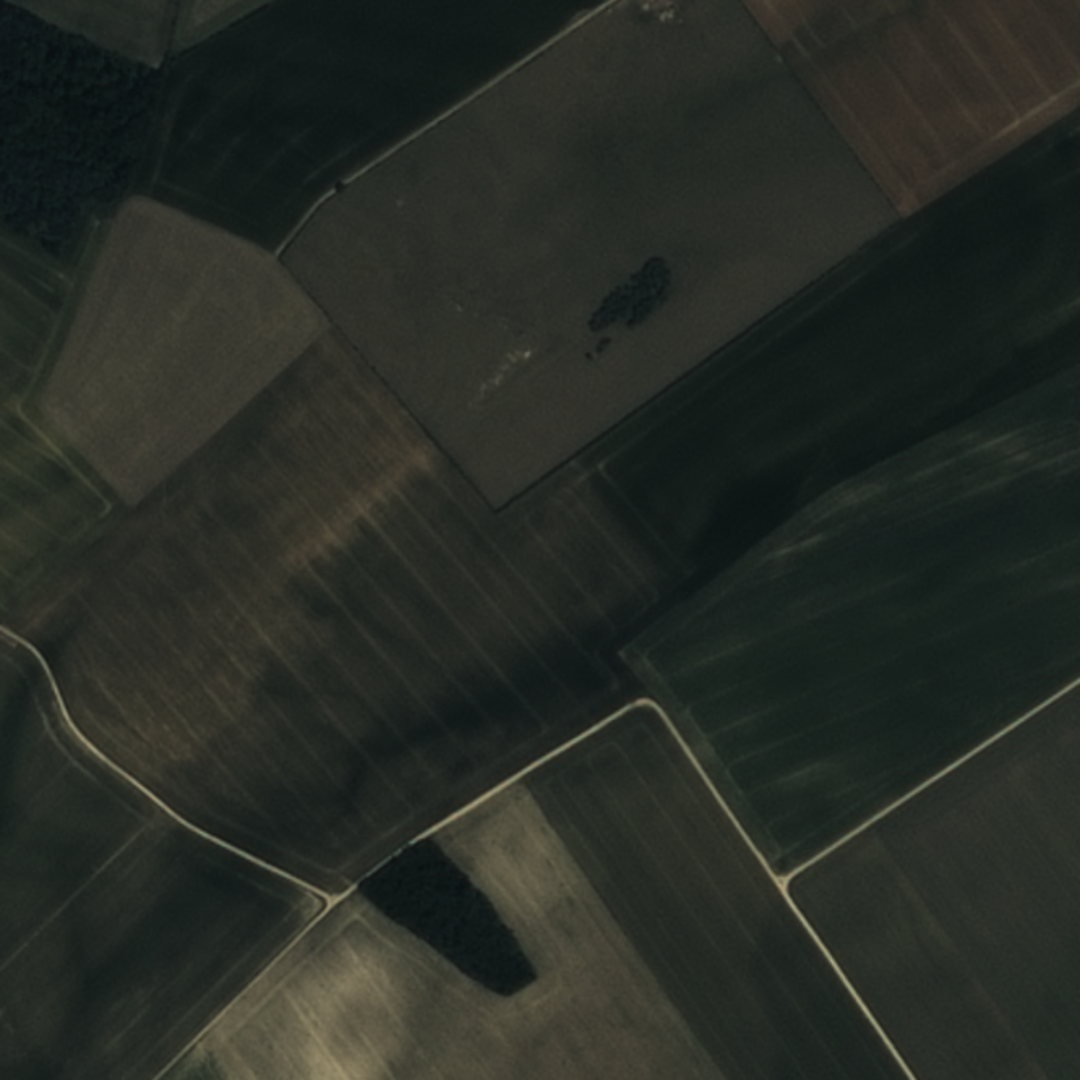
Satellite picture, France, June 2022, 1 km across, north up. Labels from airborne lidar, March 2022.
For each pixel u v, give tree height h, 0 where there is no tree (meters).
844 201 0
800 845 0
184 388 0
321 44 0
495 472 0
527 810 0
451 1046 0
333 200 0
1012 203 0
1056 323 0
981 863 0
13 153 14
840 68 0
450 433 0
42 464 0
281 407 0
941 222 0
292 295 0
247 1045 0
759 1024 0
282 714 0
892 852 0
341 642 0
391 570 0
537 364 0
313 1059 0
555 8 0
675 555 0
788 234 0
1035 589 0
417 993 0
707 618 0
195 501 0
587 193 0
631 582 0
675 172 0
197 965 0
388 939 0
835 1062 0
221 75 0
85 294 0
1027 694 0
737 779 0
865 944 0
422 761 0
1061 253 0
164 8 0
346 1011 0
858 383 0
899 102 0
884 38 0
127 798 0
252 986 0
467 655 0
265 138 0
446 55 0
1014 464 0
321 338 0
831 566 0
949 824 0
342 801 0
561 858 0
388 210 0
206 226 0
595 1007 0
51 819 0
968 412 0
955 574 0
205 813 0
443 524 0
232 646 0
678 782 0
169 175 0
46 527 0
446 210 0
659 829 0
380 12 0
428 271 0
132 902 0
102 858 0
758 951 0
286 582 0
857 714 0
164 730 0
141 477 0
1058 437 0
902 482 0
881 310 0
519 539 0
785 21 0
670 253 0
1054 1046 0
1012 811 0
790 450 0
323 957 0
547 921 0
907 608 0
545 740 0
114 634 0
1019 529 0
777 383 0
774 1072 0
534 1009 0
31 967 0
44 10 0
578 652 0
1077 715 0
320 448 0
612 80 0
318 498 0
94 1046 0
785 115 0
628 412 0
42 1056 0
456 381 0
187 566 0
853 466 0
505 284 0
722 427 0
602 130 0
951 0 0
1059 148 0
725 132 0
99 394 0
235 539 0
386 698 0
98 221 0
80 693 0
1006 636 0
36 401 0
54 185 18
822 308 0
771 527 0
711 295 0
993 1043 0
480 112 0
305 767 0
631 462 0
